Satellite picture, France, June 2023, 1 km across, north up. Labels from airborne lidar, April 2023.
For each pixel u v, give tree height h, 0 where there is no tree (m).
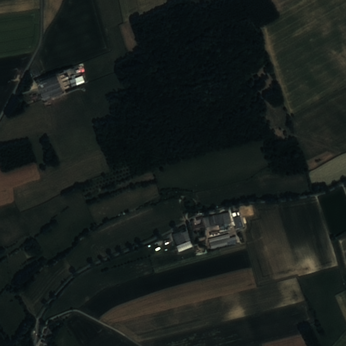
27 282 27
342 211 0
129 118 26
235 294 0
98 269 0
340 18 0
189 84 21
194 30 23
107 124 26
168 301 0
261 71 0
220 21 18
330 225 0
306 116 0
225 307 0
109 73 0
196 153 21
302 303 0
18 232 0
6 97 0
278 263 0
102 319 0
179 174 0
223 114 24
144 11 0
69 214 0
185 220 0
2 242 0
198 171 0
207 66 19
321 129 0
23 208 0
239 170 0
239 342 0
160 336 0
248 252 0
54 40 0
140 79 23
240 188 0
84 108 0
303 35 0
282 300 0
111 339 0
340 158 0
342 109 0
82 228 0
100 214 0
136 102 21
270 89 12
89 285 0
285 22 0
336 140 0
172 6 13
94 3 0
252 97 22
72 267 0
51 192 0
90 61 0
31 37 0
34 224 0
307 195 24
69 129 0
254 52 25
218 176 0
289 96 0
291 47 0
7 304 0
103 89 0
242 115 25
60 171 0
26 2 0
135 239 0
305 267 0
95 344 0
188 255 0
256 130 22
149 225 0
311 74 0
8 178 0
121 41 0
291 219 0
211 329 0
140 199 0
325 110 0
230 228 0
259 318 0
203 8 19
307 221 0
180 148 23
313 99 0
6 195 0
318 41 0
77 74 0
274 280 0
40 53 0
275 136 16
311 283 0
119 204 0
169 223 0
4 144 15
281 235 0
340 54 0
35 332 0
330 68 0
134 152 15
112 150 20
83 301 0
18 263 0
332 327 0
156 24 23
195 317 0
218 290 0
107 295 0
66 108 0
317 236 0
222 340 0
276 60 0
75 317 0
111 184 13
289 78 0
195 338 0
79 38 0
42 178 0
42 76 10
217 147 21
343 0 0
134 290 0
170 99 22
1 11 0
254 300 0
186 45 24
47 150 18
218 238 0
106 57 0
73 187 11
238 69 21
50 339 6
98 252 0
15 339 21
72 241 0
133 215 0
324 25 0
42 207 0
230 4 14
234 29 22
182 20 22
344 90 0
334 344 0
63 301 0
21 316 0
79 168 0
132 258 0
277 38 0
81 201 0
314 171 0
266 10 33
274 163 17
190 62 24
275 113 0
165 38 27
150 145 17
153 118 25
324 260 0
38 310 0
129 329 0
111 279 0
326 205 0
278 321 0
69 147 0
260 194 0
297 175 0
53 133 0
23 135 0
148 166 13
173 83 21
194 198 0
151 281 0
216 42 23
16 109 27
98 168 0
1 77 0
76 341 0
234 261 0
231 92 23
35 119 0
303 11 0
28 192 0
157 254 0
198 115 30
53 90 0
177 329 0
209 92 20
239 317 0
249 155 0
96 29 0
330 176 0
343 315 0
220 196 0
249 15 29
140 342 0
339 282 0
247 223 0
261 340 0
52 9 0
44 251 0
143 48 20
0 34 0
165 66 25
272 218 0
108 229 0
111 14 0
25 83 14
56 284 0
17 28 0
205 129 22
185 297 0
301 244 0
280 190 0
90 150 0
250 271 0
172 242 0
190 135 21
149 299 0
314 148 0
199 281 0
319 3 0
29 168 0
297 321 0
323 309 0
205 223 0
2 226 0
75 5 0
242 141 18
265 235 0
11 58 0
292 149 6
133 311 0
